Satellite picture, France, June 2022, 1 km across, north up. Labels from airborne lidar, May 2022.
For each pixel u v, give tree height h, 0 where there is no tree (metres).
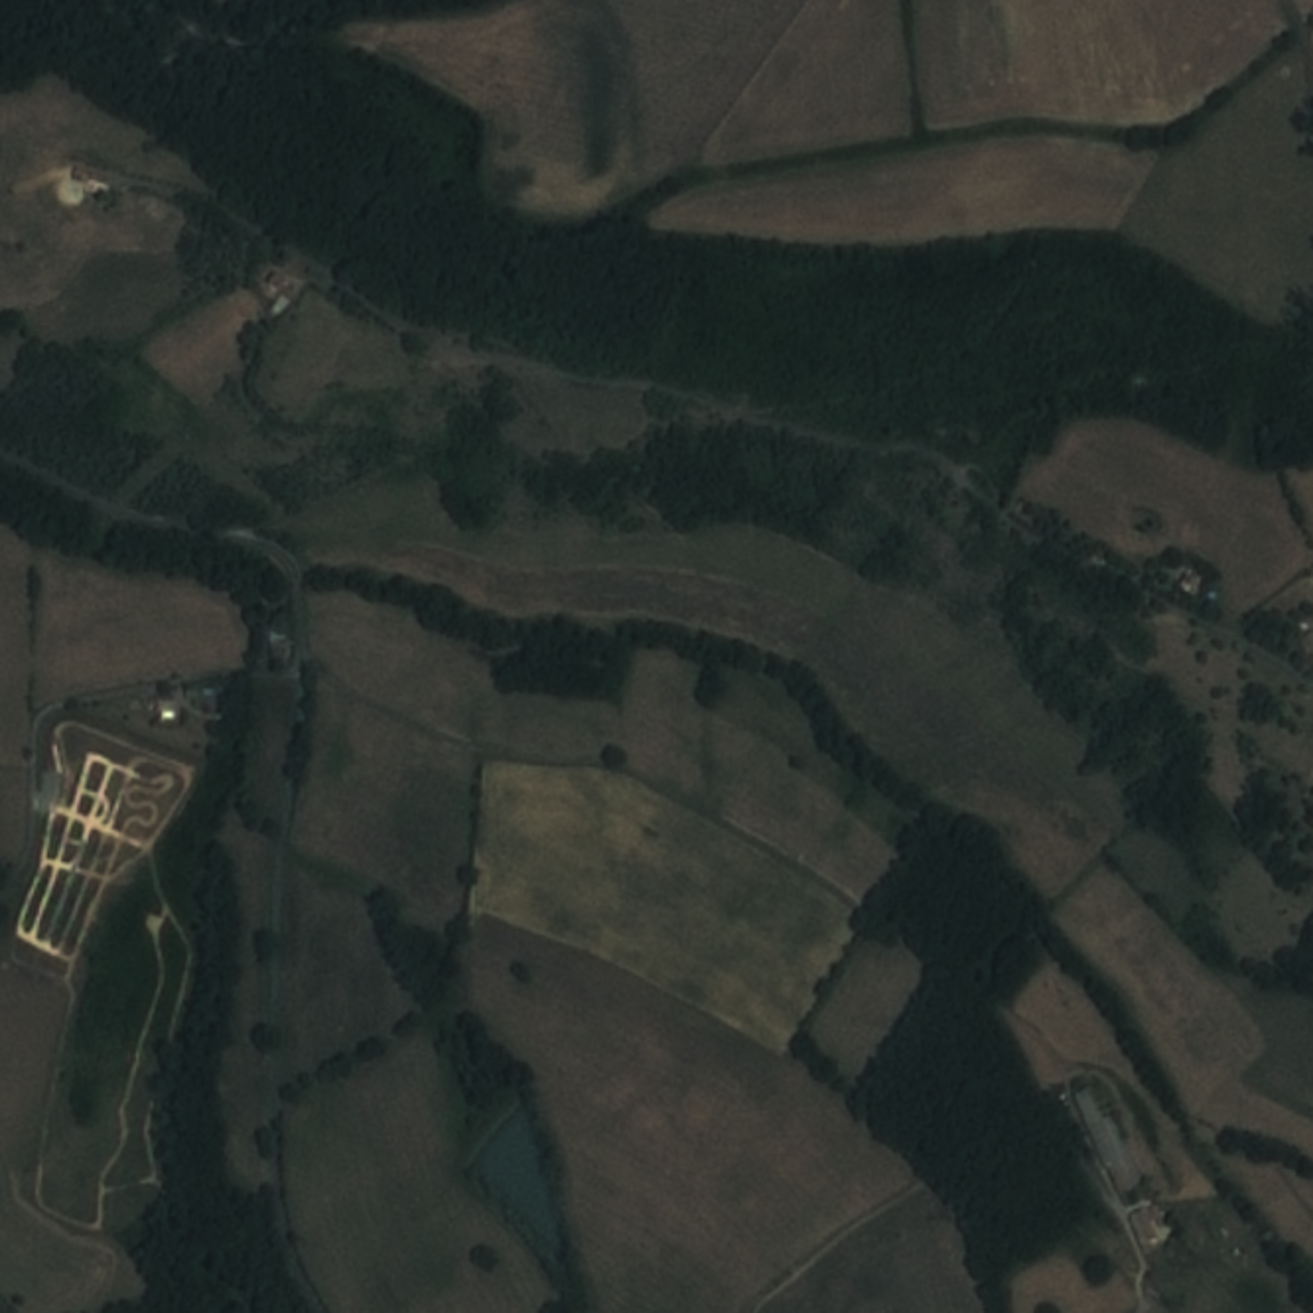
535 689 15
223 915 25
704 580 0
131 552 18
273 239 16
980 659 0
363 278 18
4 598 0
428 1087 0
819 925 0
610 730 0
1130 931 0
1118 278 6
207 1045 22
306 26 18
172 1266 28
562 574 0
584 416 0
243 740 10
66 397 17
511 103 0
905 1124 18
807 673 16
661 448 13
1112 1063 0
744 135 0
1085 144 0
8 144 0
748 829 0
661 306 20
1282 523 0
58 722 0
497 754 0
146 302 0
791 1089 0
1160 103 0
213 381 0
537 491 10
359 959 0
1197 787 16
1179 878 0
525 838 0
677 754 0
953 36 0
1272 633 11
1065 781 0
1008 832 0
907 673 0
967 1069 19
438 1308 0
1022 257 8
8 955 0
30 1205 0
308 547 0
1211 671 0
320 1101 0
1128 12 0
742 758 0
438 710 0
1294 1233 0
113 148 0
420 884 0
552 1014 0
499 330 12
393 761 0
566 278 22
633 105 0
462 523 12
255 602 8
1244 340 21
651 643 13
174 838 6
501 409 10
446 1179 0
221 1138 17
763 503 12
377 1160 0
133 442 11
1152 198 0
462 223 31
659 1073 0
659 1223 0
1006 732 0
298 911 0
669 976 0
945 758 0
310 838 0
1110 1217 6
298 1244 7
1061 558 11
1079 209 0
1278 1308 0
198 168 14
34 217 0
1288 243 0
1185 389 6
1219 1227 0
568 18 0
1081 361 6
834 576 0
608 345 13
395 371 0
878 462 6
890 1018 0
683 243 5
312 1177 0
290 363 0
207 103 17
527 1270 0
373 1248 0
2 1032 0
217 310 0
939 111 0
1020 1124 20
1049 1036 0
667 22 0
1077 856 0
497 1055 19
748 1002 0
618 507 8
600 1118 0
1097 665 12
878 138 0
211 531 13
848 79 0
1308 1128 0
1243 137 0
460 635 21
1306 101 0
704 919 0
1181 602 9
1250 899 0
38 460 13
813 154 0
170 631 0
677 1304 0
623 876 0
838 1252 0
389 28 0
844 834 0
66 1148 0
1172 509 0
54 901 0
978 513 8
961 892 18
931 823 18
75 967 0
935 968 16
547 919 0
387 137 14
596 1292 0
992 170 0
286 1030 0
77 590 0
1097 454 0
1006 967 18
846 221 0
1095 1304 0
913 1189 0
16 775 0
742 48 0
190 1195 19
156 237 0
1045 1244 20
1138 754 9
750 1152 0
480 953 0
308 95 24
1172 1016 0
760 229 0
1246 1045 0
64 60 17
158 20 18
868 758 24
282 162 16
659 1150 0
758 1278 0
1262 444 16
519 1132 0
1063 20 0
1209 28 0
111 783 0
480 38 0
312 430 7
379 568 0
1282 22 0
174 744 0
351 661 0
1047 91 0
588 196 0
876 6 0
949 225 0
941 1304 0
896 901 17
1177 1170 0
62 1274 0
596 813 0
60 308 0
